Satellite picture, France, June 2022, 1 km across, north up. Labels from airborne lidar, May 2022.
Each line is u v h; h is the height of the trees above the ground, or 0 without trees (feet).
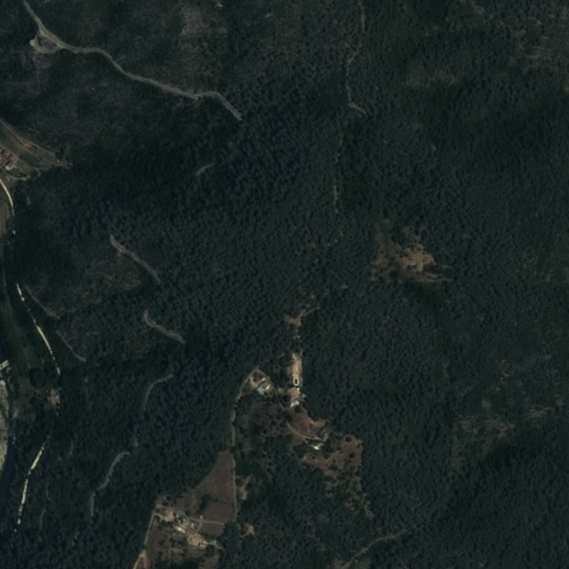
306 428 0
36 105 40
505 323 58
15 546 71
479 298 77
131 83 32
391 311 60
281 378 24
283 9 21
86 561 60
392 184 74
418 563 79
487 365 37
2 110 42
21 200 31
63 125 22
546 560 73
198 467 19
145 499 45
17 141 0
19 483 24
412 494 58
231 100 88
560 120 33
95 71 25
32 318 31
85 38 24
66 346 23
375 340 54
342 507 65
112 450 38
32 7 26
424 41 29
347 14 57
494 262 57
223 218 90
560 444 40
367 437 61
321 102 42
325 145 50
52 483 23
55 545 31
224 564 60
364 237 52
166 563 32
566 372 28
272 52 18
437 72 43
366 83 33
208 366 81
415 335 50
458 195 51
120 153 24
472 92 41
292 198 69
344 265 66
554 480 66
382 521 30
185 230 59
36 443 47
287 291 41
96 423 22
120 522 54
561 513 83
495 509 47
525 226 23
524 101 33
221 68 21
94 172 21
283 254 60
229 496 0
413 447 27
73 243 24
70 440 29
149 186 39
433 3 27
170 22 19
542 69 66
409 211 34
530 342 25
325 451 21
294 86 56
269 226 64
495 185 72
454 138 52
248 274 22
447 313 17
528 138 51
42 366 22
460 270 69
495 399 38
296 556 58
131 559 59
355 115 57
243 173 91
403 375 87
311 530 58
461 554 63
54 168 23
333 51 54
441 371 37
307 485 54
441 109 46
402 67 42
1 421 0
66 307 25
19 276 42
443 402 27
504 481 90
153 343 25
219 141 31
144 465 28
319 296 62
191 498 0
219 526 0
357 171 81
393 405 41
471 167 41
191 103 19
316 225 67
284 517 39
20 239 34
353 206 24
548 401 30
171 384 22
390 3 54
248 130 37
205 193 29
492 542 75
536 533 88
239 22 68
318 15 20
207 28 19
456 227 72
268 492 36
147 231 84
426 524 61
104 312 27
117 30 22
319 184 73
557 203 60
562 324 18
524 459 60
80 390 35
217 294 74
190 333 25
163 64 24
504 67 31
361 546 19
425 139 47
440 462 77
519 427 26
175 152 49
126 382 62
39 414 47
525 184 69
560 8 24
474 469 102
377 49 29
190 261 63
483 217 80
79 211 36
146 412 30
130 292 58
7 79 20
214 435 66
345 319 47
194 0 31
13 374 33
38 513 28
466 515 77
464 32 57
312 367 23
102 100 23
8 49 29
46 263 39
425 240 55
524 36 19
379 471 71
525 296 59
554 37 50
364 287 63
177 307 72
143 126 35
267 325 69
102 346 40
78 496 28
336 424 52
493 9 53
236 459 30
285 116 74
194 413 79
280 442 64
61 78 26
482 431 33
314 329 21
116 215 90
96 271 22
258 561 59
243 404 64
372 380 20
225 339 31
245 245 60
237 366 82
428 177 82
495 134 45
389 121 58
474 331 22
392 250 0
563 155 64
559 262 18
